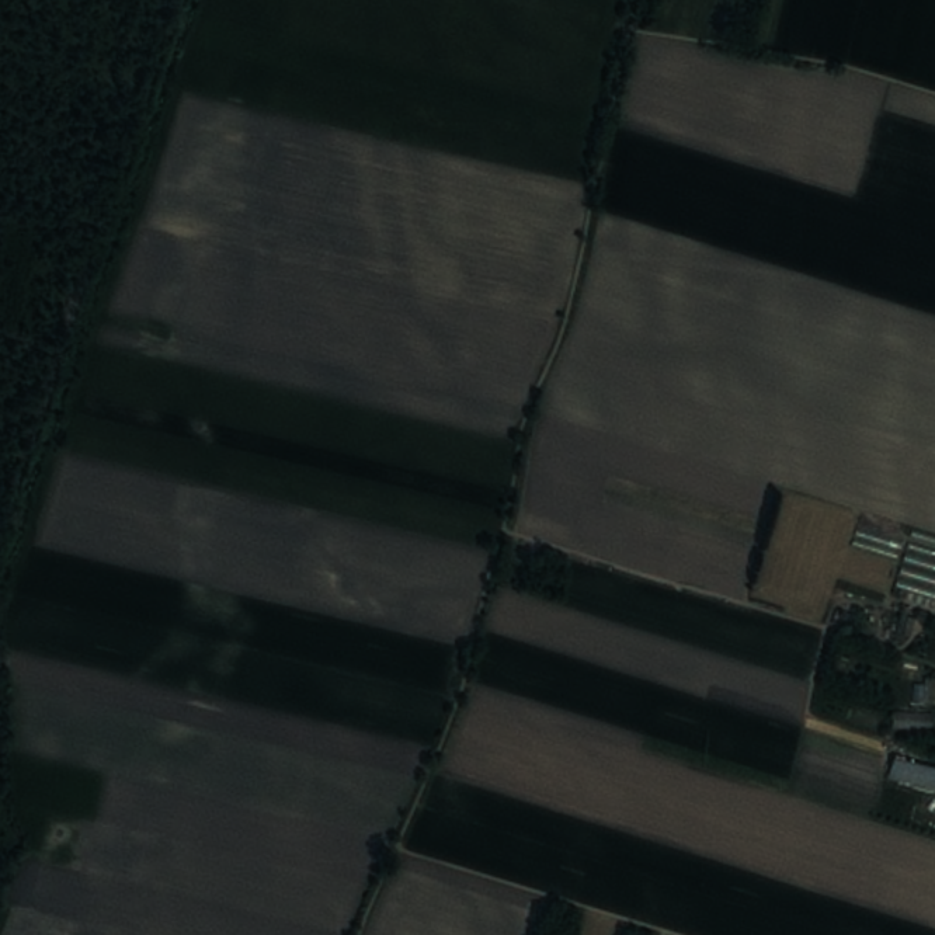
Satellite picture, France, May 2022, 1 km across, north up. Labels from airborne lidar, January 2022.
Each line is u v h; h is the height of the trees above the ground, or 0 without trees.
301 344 0
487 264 0
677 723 0
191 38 0
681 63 0
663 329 0
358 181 0
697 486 0
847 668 0
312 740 0
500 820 0
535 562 24
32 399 21
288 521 0
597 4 0
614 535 0
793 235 0
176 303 0
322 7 0
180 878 0
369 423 0
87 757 0
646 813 0
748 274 0
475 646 17
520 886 0
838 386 0
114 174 27
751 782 0
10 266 11
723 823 0
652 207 0
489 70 0
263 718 0
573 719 0
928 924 0
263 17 0
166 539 0
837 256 0
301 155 0
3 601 23
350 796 0
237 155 0
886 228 0
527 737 0
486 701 0
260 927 0
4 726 22
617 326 0
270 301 0
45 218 23
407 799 0
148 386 0
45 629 0
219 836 0
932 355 0
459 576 0
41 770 0
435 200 0
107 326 0
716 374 0
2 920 0
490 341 0
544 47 0
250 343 0
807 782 0
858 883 0
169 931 0
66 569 0
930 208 0
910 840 0
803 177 0
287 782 0
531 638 0
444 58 0
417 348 0
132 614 0
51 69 18
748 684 0
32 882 0
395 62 0
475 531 0
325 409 0
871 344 0
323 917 0
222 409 0
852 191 0
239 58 0
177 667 0
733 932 0
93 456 0
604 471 0
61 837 0
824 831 0
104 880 0
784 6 0
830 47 0
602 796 0
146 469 0
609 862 0
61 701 0
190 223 0
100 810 0
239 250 0
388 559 0
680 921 0
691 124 0
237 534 0
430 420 0
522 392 0
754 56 23
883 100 0
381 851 29
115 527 0
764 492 0
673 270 0
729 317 0
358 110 0
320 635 0
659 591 0
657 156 0
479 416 0
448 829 0
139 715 0
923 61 0
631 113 0
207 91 0
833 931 0
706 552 0
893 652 13
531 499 0
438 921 0
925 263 0
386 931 0
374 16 0
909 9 0
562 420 0
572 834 0
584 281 0
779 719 0
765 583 0
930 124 0
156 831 0
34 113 12
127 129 26
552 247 0
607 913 0
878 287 0
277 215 0
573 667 0
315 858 0
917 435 0
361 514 0
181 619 0
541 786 0
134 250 0
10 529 18
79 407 0
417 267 0
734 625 0
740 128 0
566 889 0
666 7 0
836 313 0
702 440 0
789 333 0
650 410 0
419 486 0
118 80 20
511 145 0
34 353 7
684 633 0
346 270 0
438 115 0
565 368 0
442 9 0
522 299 0
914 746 17
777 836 0
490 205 0
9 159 15
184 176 0
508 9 0
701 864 0
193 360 0
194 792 0
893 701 12
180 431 0
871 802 0
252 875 0
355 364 0
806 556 0
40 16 10
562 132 0
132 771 0
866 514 0
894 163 0
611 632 0
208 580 0
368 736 0
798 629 0
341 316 0
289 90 0
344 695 0
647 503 0
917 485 0
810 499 0
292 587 0
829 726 0
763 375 0
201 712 0
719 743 0
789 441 0
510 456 0
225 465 0
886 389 0
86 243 30
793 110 0
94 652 0
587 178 19
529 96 0
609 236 0
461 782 0
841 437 0
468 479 0
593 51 0
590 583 0
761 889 0
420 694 0
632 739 0
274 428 0
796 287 0
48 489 0
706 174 0
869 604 0
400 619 0
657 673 0
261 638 0
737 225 0
